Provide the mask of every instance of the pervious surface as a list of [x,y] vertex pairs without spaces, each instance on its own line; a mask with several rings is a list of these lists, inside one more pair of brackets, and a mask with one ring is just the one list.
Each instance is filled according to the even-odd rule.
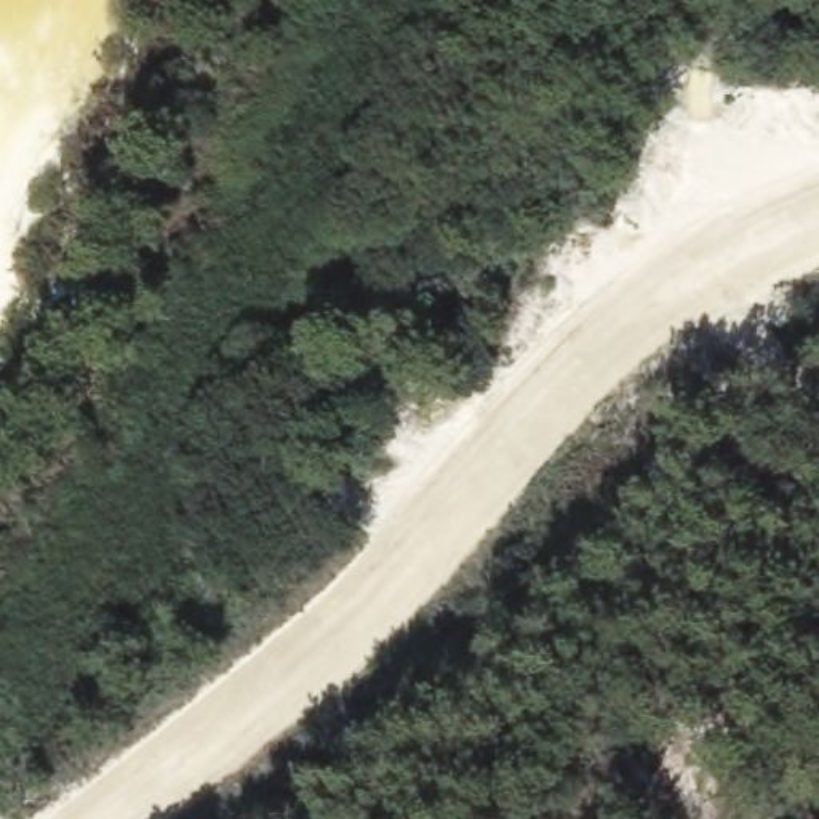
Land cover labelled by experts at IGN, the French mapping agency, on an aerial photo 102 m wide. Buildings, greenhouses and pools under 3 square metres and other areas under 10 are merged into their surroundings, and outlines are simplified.
[[531,477],[557,454],[557,448],[582,422],[617,419],[627,406],[637,403],[637,374],[656,371],[669,358],[675,333],[701,320],[739,326],[742,320],[749,320],[755,326],[755,336],[768,339],[768,323],[787,323],[790,317],[806,314],[819,317],[819,93],[806,86],[771,90],[723,83],[713,74],[713,58],[697,54],[691,67],[678,77],[675,109],[662,118],[656,131],[646,134],[637,179],[630,182],[627,195],[621,195],[614,205],[614,224],[598,227],[579,221],[566,234],[566,243],[547,246],[547,262],[534,272],[531,291],[525,291],[515,301],[518,314],[509,320],[505,346],[499,349],[499,365],[489,378],[489,387],[464,400],[438,397],[432,400],[432,406],[400,406],[397,432],[387,441],[394,470],[368,483],[371,515],[365,525],[365,544],[323,585],[301,611],[294,611],[291,617],[285,617],[285,624],[266,633],[262,643],[237,656],[221,675],[208,678],[179,710],[173,710],[150,733],[141,736],[109,758],[96,774],[70,784],[54,803],[48,803],[32,819],[150,819],[150,813],[186,803],[195,790],[208,784],[240,774],[253,755],[278,742],[307,713],[307,707],[314,707],[326,694],[326,688],[346,685],[355,675],[362,675],[374,649],[384,640],[390,640],[400,627],[406,627],[419,614],[419,608],[425,608],[441,592],[441,585],[451,582],[457,566],[480,547],[480,541],[496,537],[496,528],[509,505],[518,502]]
[[29,195],[22,198],[10,182],[0,179],[0,323],[6,304],[16,298],[19,282],[13,272],[13,250],[35,224]]
[[717,777],[685,761],[691,755],[691,745],[713,729],[707,717],[691,726],[675,723],[675,736],[662,755],[665,771],[675,777],[681,790],[688,816],[694,819],[733,819],[723,809],[717,809]]

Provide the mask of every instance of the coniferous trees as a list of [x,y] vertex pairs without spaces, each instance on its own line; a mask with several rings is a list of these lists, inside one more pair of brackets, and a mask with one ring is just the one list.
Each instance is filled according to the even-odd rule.
[[282,454],[282,467],[291,480],[314,486],[310,502],[326,509],[326,515],[314,528],[291,534],[291,547],[285,553],[285,563],[291,566],[307,566],[323,585],[365,544],[365,525],[371,515],[368,483],[394,470],[387,441],[397,432],[400,406],[432,406],[432,400],[438,397],[464,400],[489,387],[489,378],[499,365],[499,349],[505,346],[509,320],[518,314],[515,301],[525,291],[531,291],[534,272],[547,262],[547,246],[566,243],[566,234],[579,221],[598,227],[614,224],[614,205],[621,195],[627,195],[630,182],[637,179],[646,134],[656,131],[662,118],[675,109],[678,77],[691,67],[697,54],[713,58],[713,74],[723,83],[771,90],[806,86],[819,93],[819,0],[432,0],[438,10],[403,13],[394,19],[394,26],[378,42],[378,64],[371,67],[374,96],[355,102],[339,118],[342,141],[336,144],[336,157],[352,170],[342,179],[346,186],[333,202],[336,221],[346,230],[352,230],[349,237],[358,246],[349,259],[358,266],[368,285],[403,288],[403,282],[416,275],[448,275],[461,298],[473,298],[473,310],[461,314],[457,333],[419,333],[413,310],[371,310],[368,317],[355,320],[355,330],[336,330],[314,314],[307,320],[294,320],[291,330],[294,355],[304,358],[307,378],[320,381],[323,387],[307,397],[307,410],[314,413],[310,419],[285,422],[282,445],[288,451]]
[[403,688],[400,694],[378,701],[355,729],[323,742],[301,742],[304,768],[282,787],[272,809],[266,809],[256,819],[694,819],[688,816],[681,790],[675,777],[665,771],[662,755],[675,736],[675,723],[691,726],[707,717],[713,729],[691,745],[691,755],[685,761],[717,777],[717,809],[723,809],[733,819],[819,819],[819,336],[800,346],[793,381],[787,381],[774,368],[761,368],[749,374],[742,387],[729,387],[720,397],[694,394],[672,419],[659,416],[656,464],[649,467],[649,477],[643,477],[640,483],[627,480],[627,486],[621,486],[621,502],[614,505],[614,512],[601,515],[598,537],[582,537],[579,553],[573,560],[550,560],[544,569],[534,573],[525,614],[505,608],[489,611],[477,637],[470,643],[464,640],[448,656],[448,665],[441,672],[432,672]]
[[189,659],[205,643],[198,637],[186,637],[176,627],[173,611],[166,605],[157,605],[154,617],[147,621],[134,601],[106,601],[106,624],[80,637],[77,649],[90,653],[90,675],[80,675],[74,681],[74,694],[16,688],[0,675],[0,781],[6,781],[6,793],[26,793],[32,787],[51,784],[54,771],[67,758],[102,752],[109,758],[141,736],[134,733],[134,720],[138,707],[154,694],[150,665],[192,665]]
[[131,16],[173,26],[176,45],[144,51],[141,67],[131,77],[125,77],[125,99],[138,112],[128,115],[125,128],[93,138],[93,147],[83,150],[77,237],[96,246],[99,272],[83,278],[42,282],[35,291],[29,291],[19,282],[16,298],[6,304],[0,323],[0,534],[13,534],[19,528],[22,537],[32,534],[32,525],[38,525],[42,518],[26,502],[42,499],[48,489],[61,483],[61,473],[70,470],[77,432],[86,425],[80,419],[80,406],[93,400],[90,371],[131,368],[131,342],[147,333],[147,320],[166,320],[160,301],[170,262],[163,253],[154,253],[150,246],[157,243],[157,237],[170,237],[176,227],[182,227],[186,218],[195,211],[195,198],[179,198],[179,186],[189,186],[186,170],[195,166],[195,160],[205,150],[218,147],[221,141],[230,141],[230,128],[246,128],[256,118],[259,86],[275,77],[278,54],[298,51],[298,42],[282,32],[282,10],[272,0],[118,0]]

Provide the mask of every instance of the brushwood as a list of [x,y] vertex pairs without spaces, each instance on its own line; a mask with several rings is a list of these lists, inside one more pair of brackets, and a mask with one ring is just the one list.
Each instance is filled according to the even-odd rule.
[[115,29],[102,42],[102,77],[90,86],[86,109],[80,112],[77,128],[61,138],[58,163],[45,166],[45,173],[38,173],[29,182],[29,195],[35,224],[13,250],[13,272],[19,282],[29,291],[35,291],[42,282],[83,278],[99,272],[96,246],[77,237],[83,150],[93,147],[93,138],[125,128],[128,115],[138,112],[125,99],[125,77],[131,77],[141,67],[144,51],[176,45],[173,26],[131,16],[118,0],[112,0],[109,13],[115,19]]

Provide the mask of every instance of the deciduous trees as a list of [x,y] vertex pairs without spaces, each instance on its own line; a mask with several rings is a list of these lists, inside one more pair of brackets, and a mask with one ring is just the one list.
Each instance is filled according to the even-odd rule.
[[282,467],[282,454],[288,451],[282,445],[285,422],[310,419],[314,413],[307,410],[307,397],[323,387],[320,381],[307,378],[304,358],[294,355],[291,330],[256,323],[224,323],[218,330],[208,355],[202,358],[198,374],[186,390],[186,400],[192,400],[195,406],[173,432],[176,457],[170,464],[170,477],[173,483],[179,483],[179,521],[173,521],[173,534],[179,541],[179,553],[195,563],[195,573],[205,582],[230,585],[243,595],[253,589],[253,582],[259,582],[262,589],[285,582],[291,576],[291,566],[285,563],[285,553],[291,547],[291,534],[314,528],[326,515],[326,509],[310,502],[314,486],[291,480]]

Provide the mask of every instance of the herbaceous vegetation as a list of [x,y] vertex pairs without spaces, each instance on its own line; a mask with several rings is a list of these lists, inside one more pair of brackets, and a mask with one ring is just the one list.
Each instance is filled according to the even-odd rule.
[[0,781],[0,819],[32,819],[48,803],[54,803],[70,784],[96,774],[109,758],[102,752],[67,758],[54,771],[51,784],[32,787],[26,793],[6,793],[6,781]]
[[640,483],[643,477],[649,477],[649,467],[656,464],[659,416],[672,419],[694,394],[720,397],[729,387],[742,387],[749,374],[761,368],[774,368],[787,381],[793,381],[800,346],[819,336],[819,317],[806,314],[790,317],[787,323],[768,323],[768,339],[755,336],[755,326],[749,320],[742,320],[739,326],[701,320],[675,333],[669,358],[656,371],[637,374],[637,403],[627,406],[617,419],[582,422],[557,448],[557,454],[531,477],[518,502],[509,505],[496,528],[496,537],[480,541],[480,547],[457,566],[451,582],[441,585],[441,592],[425,608],[419,608],[419,614],[406,627],[400,627],[390,640],[384,640],[374,649],[362,675],[355,675],[346,685],[326,688],[326,694],[314,707],[307,707],[307,713],[278,742],[253,755],[240,774],[208,784],[195,790],[186,803],[150,813],[150,819],[256,819],[266,809],[272,809],[282,787],[304,768],[301,742],[323,742],[355,729],[378,701],[400,694],[403,688],[432,672],[441,672],[448,665],[448,656],[464,640],[470,643],[477,637],[489,611],[505,608],[525,614],[534,573],[544,569],[550,560],[573,560],[579,553],[582,537],[598,537],[601,515],[614,512],[614,505],[621,502],[621,486],[627,486],[627,480]]
[[150,246],[154,253],[163,253],[170,262],[160,301],[166,320],[147,320],[147,333],[131,342],[131,368],[90,371],[93,400],[80,406],[80,419],[86,425],[77,432],[70,470],[61,473],[61,483],[48,489],[42,499],[26,502],[42,518],[38,525],[32,525],[32,534],[22,537],[19,528],[13,534],[0,534],[0,675],[16,688],[74,694],[74,681],[80,675],[90,675],[90,653],[77,649],[80,637],[106,624],[106,601],[134,601],[147,621],[154,617],[157,605],[166,605],[173,611],[176,627],[186,637],[198,637],[205,643],[189,659],[192,665],[150,665],[154,694],[138,707],[134,720],[134,733],[141,736],[150,733],[173,710],[179,710],[208,678],[221,675],[237,656],[262,643],[266,633],[285,624],[285,617],[291,617],[294,611],[301,611],[323,585],[307,566],[291,566],[291,576],[285,582],[262,589],[259,582],[253,582],[253,589],[243,595],[230,585],[205,582],[195,573],[195,563],[179,553],[179,541],[173,534],[173,521],[179,521],[179,483],[173,483],[170,477],[170,464],[176,457],[173,432],[195,406],[192,400],[186,400],[186,390],[198,374],[202,358],[208,355],[218,330],[224,323],[256,323],[291,330],[294,320],[307,320],[314,314],[336,330],[355,330],[355,320],[368,317],[371,310],[413,310],[419,333],[457,333],[461,314],[473,310],[473,298],[461,298],[448,275],[416,275],[403,282],[403,288],[368,285],[358,266],[349,259],[358,246],[349,237],[352,230],[346,230],[336,221],[333,202],[346,186],[342,179],[352,170],[336,157],[336,144],[342,141],[339,118],[355,102],[374,96],[371,67],[378,64],[378,42],[394,26],[394,19],[403,13],[438,10],[432,0],[272,0],[282,10],[282,32],[298,42],[298,51],[278,54],[275,77],[259,86],[256,118],[246,128],[230,128],[230,141],[221,141],[218,147],[205,150],[195,160],[195,166],[186,170],[189,186],[179,186],[179,198],[195,198],[195,211],[186,218],[182,227],[176,227],[170,237],[157,237],[157,243]]

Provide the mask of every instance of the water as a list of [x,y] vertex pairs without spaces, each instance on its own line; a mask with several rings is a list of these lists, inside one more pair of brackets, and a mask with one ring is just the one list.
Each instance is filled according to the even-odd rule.
[[80,112],[86,109],[90,86],[102,77],[102,42],[115,29],[115,19],[109,13],[112,0],[0,0],[0,179],[10,182],[22,198],[29,195],[29,182],[38,173],[45,173],[45,166],[58,163],[61,138],[77,128]]

